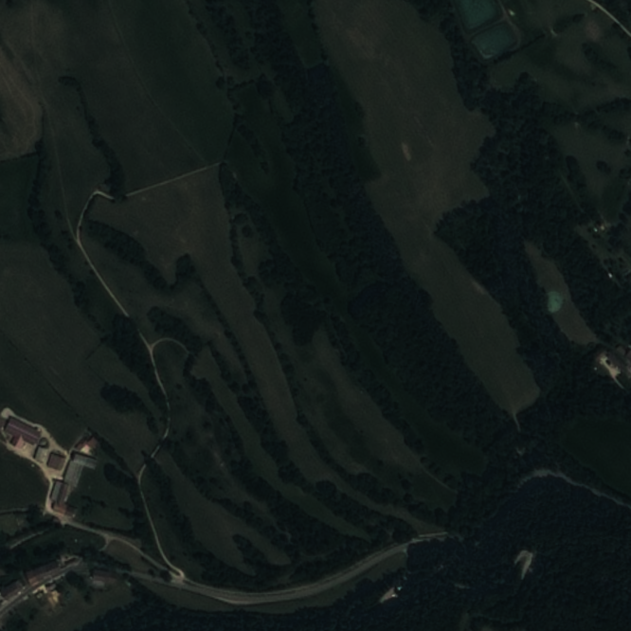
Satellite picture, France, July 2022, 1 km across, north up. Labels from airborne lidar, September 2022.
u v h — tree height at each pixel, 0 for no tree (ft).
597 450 0
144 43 0
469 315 0
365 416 0
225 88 29
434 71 0
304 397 0
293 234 0
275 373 0
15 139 0
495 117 46
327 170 23
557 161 29
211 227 0
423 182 0
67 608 0
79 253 0
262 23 82
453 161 0
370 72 0
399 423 53
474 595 63
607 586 81
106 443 46
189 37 0
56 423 0
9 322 0
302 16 0
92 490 0
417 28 0
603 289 73
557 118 49
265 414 41
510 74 0
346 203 30
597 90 0
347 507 37
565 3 0
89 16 0
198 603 0
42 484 0
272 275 21
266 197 0
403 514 0
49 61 0
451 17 30
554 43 0
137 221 0
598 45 0
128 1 0
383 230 68
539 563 26
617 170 0
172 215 0
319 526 47
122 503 0
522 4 0
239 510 40
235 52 43
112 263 0
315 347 0
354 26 0
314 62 0
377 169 0
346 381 0
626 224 52
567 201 31
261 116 0
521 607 47
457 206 0
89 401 0
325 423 0
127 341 79
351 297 0
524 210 37
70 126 0
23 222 0
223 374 33
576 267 73
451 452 0
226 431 0
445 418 59
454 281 0
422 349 31
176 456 23
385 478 0
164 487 30
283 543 48
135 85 0
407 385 52
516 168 40
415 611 75
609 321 55
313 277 0
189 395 0
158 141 0
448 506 0
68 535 0
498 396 0
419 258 0
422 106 0
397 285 61
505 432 64
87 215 24
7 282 0
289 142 49
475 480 65
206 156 0
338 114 83
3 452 0
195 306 0
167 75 0
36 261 0
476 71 66
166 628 88
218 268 0
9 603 0
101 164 0
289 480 69
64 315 0
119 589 0
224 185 26
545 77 0
